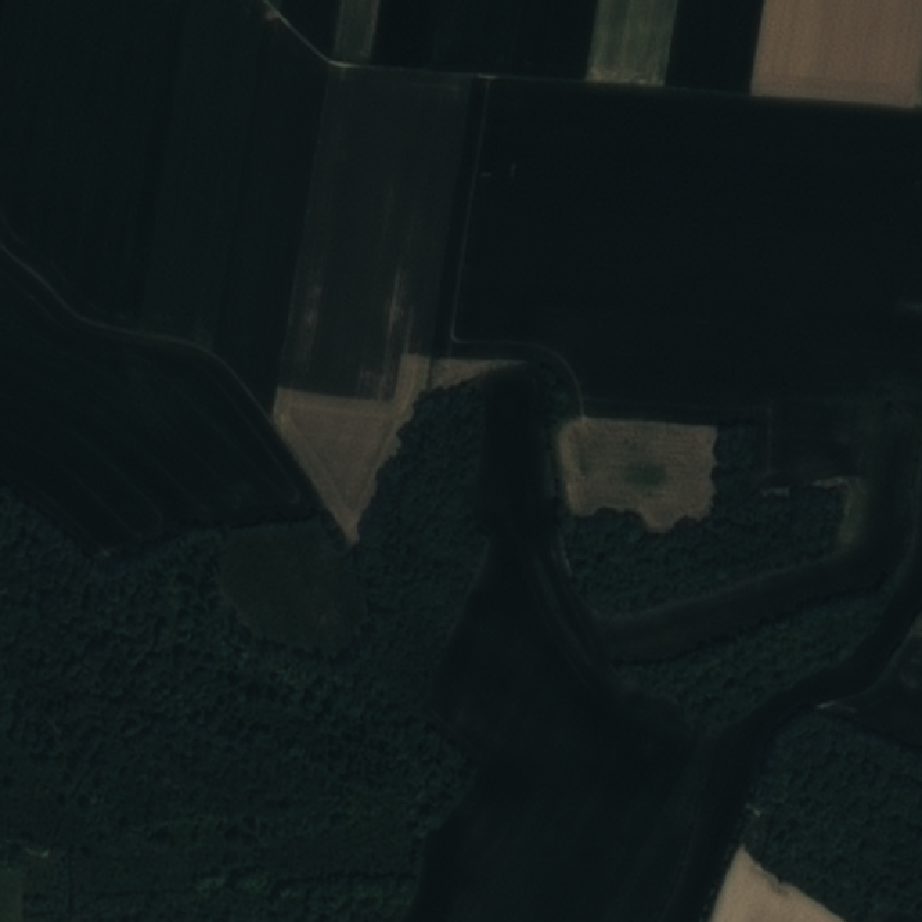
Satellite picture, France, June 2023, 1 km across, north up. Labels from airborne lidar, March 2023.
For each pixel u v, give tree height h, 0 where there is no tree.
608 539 15
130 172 0
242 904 8
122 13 0
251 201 0
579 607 0
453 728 0
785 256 0
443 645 14
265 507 0
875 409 0
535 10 0
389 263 0
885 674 0
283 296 0
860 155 0
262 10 0
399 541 20
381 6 0
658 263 0
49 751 19
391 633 19
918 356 0
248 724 8
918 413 0
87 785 6
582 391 0
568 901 0
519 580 0
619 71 0
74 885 14
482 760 0
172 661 8
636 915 0
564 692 0
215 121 0
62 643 20
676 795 0
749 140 0
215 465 0
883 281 0
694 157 0
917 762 19
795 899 0
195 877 10
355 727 9
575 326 0
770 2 0
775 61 0
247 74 0
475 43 0
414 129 0
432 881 0
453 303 0
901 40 0
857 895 7
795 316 0
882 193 0
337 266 0
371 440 0
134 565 22
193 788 18
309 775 20
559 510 13
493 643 0
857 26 0
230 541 0
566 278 0
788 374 0
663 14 0
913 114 0
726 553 20
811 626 13
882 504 0
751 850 0
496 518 0
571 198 0
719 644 16
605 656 0
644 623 0
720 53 0
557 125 0
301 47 0
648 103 0
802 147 0
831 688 0
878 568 0
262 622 0
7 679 22
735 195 0
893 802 22
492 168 0
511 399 0
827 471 0
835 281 0
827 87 0
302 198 0
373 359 0
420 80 0
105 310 0
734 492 18
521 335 0
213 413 0
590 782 0
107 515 0
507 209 0
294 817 9
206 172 0
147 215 0
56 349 0
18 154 0
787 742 20
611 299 0
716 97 0
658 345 0
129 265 0
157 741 23
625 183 0
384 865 7
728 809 0
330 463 0
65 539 16
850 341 0
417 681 17
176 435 0
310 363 0
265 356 0
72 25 0
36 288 0
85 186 0
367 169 0
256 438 0
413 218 0
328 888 15
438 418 20
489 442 0
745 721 0
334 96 0
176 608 6
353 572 6
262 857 19
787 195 0
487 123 0
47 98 0
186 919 11
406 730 14
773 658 15
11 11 0
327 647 0
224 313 0
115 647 21
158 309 0
